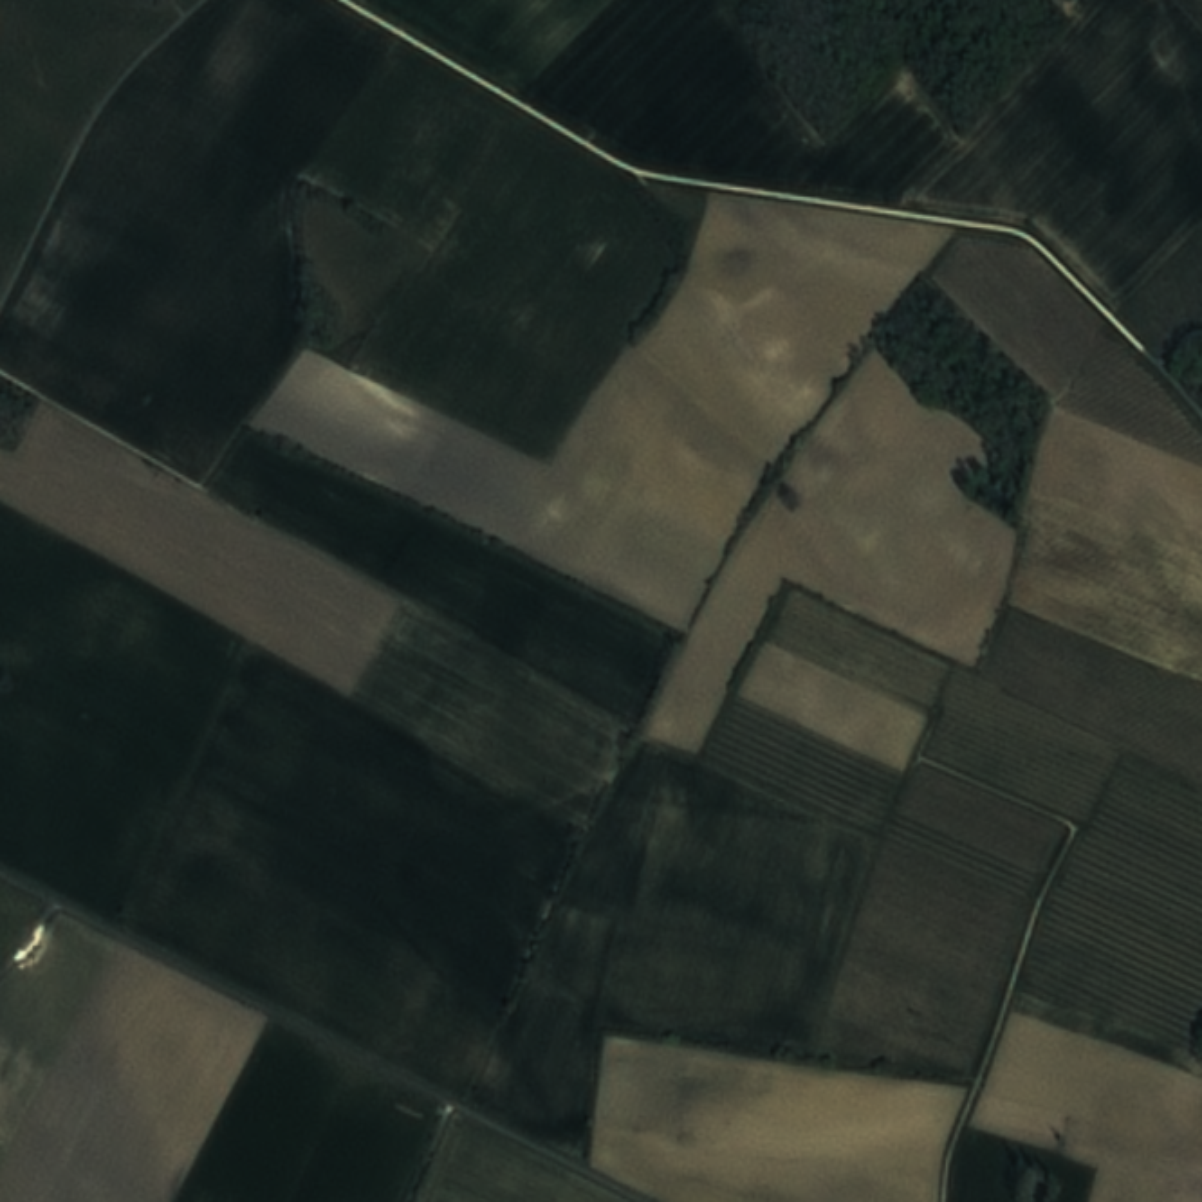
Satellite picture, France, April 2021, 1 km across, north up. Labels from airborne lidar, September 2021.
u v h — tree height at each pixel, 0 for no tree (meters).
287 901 0
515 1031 0
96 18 0
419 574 0
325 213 0
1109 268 0
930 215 0
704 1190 0
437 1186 0
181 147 0
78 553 0
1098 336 0
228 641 0
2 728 0
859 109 11
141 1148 0
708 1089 0
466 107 0
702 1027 0
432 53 0
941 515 0
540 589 0
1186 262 0
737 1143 0
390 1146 0
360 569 0
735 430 0
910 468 0
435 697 0
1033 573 0
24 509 0
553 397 0
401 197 0
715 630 0
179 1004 0
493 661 0
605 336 0
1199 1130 0
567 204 0
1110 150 0
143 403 6
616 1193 0
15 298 0
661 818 0
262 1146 0
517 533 0
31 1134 0
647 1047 0
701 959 0
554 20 0
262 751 0
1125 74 0
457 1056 0
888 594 0
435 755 0
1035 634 0
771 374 0
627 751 17
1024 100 0
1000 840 0
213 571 0
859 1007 0
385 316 0
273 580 0
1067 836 0
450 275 0
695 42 0
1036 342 0
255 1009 0
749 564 0
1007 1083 0
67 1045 0
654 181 0
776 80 12
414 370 0
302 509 0
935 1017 0
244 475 0
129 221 0
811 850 0
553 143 0
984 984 0
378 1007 0
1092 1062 0
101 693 0
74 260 0
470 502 0
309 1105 0
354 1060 0
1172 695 0
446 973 0
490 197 0
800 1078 0
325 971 0
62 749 0
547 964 0
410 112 0
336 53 0
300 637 0
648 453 0
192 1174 0
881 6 13
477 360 0
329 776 0
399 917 0
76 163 0
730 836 0
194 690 0
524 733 0
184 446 0
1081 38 0
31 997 0
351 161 0
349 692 0
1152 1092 0
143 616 0
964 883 0
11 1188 0
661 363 0
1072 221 0
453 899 0
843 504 0
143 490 0
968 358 18
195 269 0
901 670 0
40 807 0
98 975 0
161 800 0
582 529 0
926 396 18
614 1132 0
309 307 16
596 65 0
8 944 0
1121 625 0
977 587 0
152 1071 0
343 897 0
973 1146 0
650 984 0
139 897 0
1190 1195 0
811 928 0
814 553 0
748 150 0
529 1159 0
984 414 20
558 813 0
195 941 0
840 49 21
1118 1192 0
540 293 0
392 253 0
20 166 0
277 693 0
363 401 0
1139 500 0
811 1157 0
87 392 0
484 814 0
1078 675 0
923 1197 0
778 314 0
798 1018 0
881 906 0
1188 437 0
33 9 0
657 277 0
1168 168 0
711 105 0
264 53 0
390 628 0
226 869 0
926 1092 0
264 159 0
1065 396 0
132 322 0
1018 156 0
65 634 0
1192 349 23
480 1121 0
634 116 0
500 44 0
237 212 0
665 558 0
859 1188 0
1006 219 0
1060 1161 0
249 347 0
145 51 0
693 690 0
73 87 0
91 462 0
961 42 19
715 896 0
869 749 0
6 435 14
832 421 0
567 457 0
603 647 0
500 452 0
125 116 0
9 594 0
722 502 0
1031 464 16
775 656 0
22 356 0
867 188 0
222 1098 0
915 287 7
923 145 0
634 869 0
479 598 0
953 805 0
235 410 0
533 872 0
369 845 0
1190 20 0
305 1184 0
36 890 0
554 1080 0
